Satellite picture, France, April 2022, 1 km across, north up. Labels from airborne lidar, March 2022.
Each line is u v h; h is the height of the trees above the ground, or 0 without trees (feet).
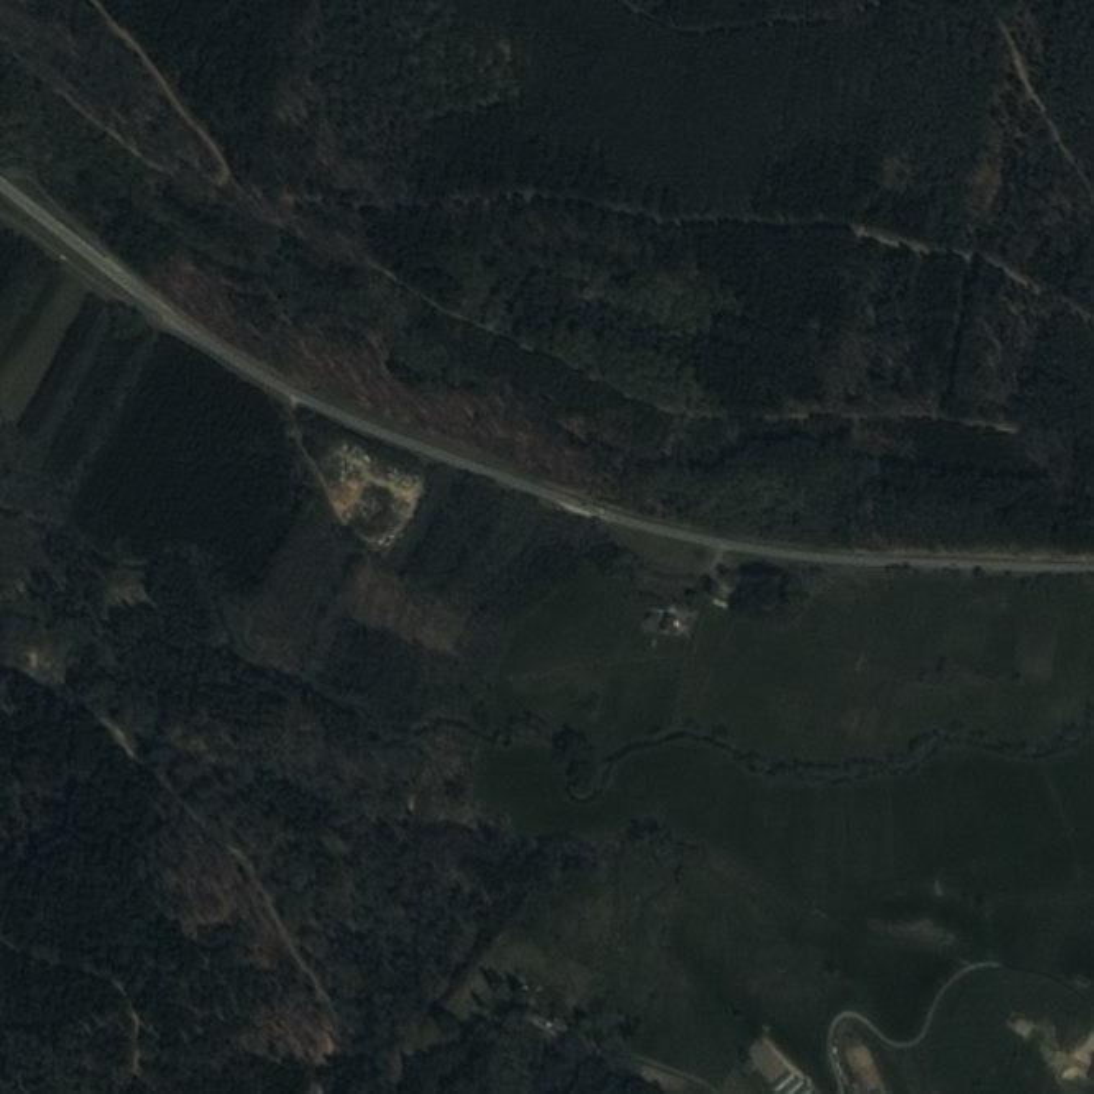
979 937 0
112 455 36
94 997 51
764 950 0
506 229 81
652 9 59
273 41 76
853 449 90
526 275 74
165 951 51
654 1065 0
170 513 26
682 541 0
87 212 43
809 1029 0
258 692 92
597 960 0
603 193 84
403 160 70
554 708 0
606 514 0
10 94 87
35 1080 97
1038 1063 0
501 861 86
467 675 81
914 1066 0
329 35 68
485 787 0
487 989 0
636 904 0
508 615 56
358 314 60
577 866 81
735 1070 0
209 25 71
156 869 91
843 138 70
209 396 31
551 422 85
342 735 102
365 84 56
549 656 0
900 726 0
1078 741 62
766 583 94
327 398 81
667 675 0
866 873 0
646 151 66
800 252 106
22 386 0
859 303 73
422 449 0
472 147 74
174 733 86
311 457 28
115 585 104
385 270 72
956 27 81
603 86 52
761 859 0
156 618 68
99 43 84
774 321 102
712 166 63
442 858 96
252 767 72
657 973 0
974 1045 0
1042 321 26
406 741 51
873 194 74
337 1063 51
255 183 93
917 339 74
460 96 48
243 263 78
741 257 94
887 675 0
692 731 47
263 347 85
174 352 37
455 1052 30
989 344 66
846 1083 0
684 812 0
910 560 0
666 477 65
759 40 48
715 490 52
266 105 72
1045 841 0
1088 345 83
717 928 0
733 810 0
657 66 56
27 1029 49
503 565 44
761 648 0
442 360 39
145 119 89
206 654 75
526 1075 52
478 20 50
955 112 81
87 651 65
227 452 32
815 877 0
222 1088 46
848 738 0
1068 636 0
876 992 0
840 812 0
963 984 0
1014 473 35
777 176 63
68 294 0
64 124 79
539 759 0
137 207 55
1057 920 0
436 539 49
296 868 80
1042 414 86
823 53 55
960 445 41
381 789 73
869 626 0
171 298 75
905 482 109
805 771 55
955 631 0
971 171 89
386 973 93
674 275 82
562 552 51
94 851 62
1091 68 77
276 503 33
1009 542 62
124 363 35
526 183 81
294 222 92
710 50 46
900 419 87
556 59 44
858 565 0
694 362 46
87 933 53
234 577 36
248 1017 47
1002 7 85
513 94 59
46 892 77
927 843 0
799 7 43
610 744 0
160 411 42
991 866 0
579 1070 79
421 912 67
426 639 0
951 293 57
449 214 87
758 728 0
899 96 73
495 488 59
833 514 59
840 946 0
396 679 64
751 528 25
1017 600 0
